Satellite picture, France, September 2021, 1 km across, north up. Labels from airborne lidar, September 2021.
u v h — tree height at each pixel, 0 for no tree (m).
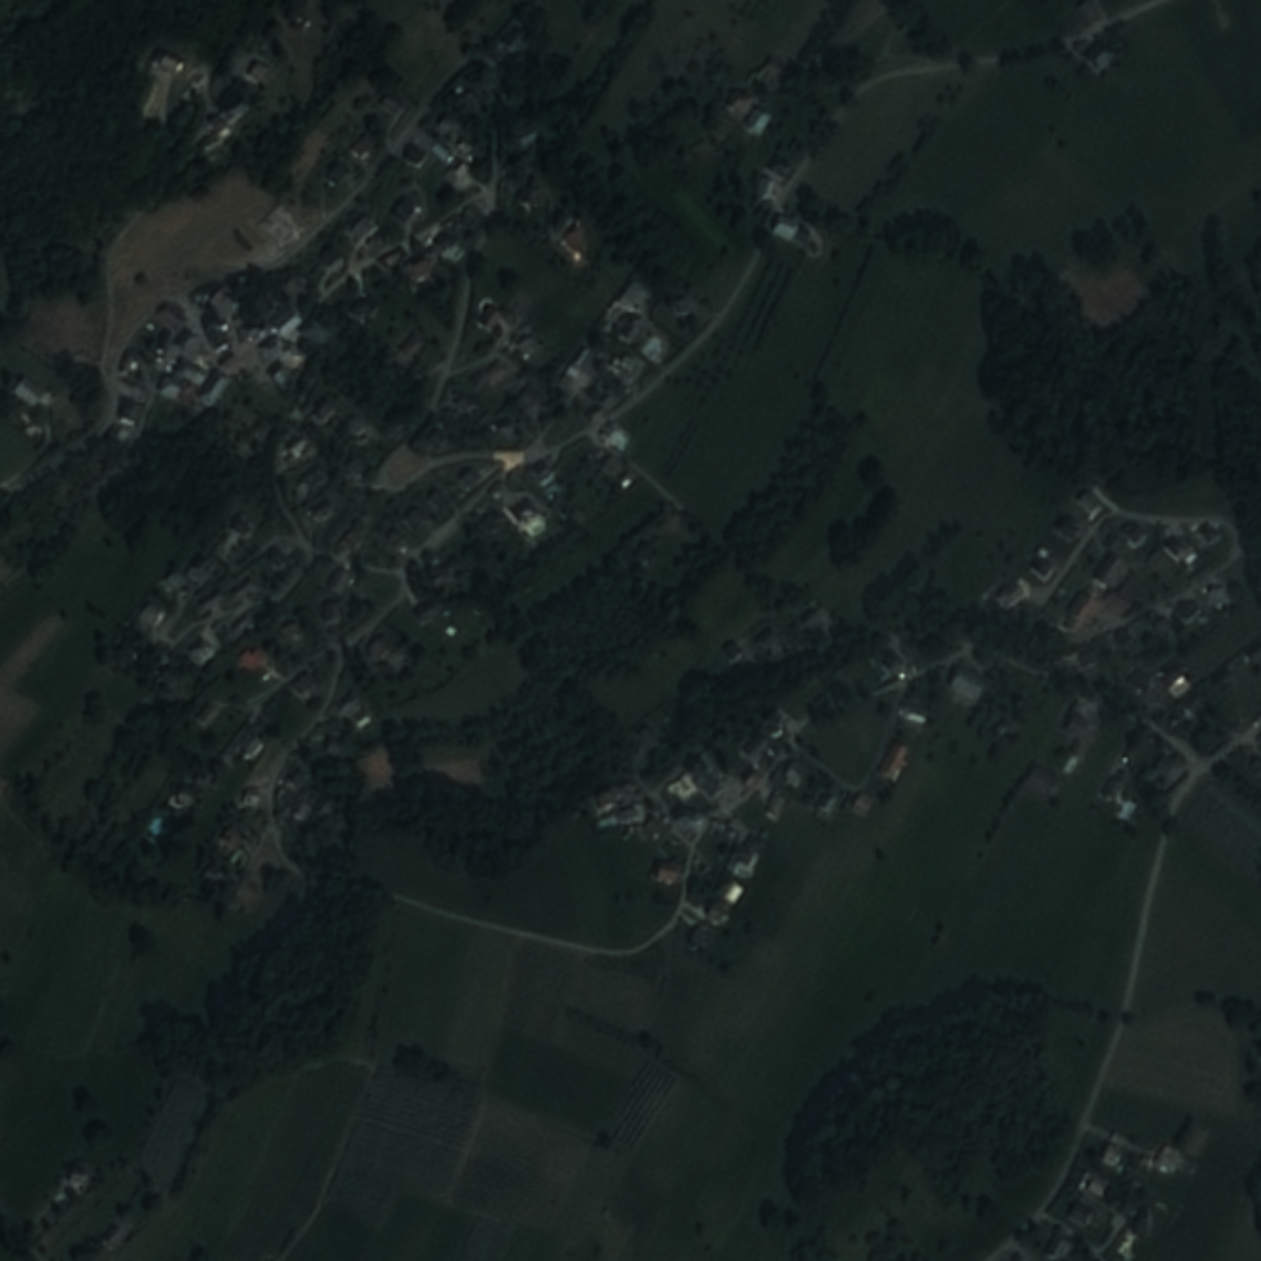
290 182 8
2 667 0
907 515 0
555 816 24
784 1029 0
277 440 9
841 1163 23
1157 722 9
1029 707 10
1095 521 0
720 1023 0
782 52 0
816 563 0
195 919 0
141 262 0
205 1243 0
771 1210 10
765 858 0
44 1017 0
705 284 0
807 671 12
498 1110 0
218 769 11
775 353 0
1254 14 0
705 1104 0
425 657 14
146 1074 0
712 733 18
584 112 18
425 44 0
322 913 19
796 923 0
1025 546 0
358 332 8
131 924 0
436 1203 0
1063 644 18
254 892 0
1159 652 8
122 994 0
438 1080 7
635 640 17
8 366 0
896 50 0
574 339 0
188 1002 0
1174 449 7
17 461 0
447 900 0
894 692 0
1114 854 0
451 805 21
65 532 10
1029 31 0
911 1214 0
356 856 10
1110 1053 0
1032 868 0
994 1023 23
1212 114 0
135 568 0
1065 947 0
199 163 13
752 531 16
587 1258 0
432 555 6
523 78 20
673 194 0
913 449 0
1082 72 7
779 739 0
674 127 17
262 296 9
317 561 8
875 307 0
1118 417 19
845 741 0
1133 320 7
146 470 29
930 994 0
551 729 18
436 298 11
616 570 15
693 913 0
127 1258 0
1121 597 0
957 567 0
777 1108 0
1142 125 0
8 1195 0
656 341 0
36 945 0
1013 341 30
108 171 19
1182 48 0
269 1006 21
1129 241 20
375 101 10
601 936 0
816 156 14
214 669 11
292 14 15
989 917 0
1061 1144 25
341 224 6
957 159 0
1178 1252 0
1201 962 0
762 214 9
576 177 12
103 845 9
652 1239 0
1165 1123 0
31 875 0
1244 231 0
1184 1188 0
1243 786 11
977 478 0
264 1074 18
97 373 8
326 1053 18
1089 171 0
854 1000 0
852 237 14
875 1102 24
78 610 0
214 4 24
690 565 12
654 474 0
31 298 20
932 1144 11
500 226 9
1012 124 0
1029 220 0
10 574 0
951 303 0
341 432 6
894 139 0
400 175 6
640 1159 0
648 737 0
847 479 0
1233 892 0
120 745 11
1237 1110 0
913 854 0
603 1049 0
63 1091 0
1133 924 0
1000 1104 18
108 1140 12
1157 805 18
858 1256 0
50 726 0
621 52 10
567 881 0
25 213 20
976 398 0
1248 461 8
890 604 20
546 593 0
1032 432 20
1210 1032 0
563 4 0
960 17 0
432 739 16
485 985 0
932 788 0
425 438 7
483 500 0
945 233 22
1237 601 12
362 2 13
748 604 0
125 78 19
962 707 0
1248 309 5
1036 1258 0
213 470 13
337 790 22
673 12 0
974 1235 0
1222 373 10
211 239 0
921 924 0
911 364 0
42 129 14
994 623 6
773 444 0
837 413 9
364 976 20
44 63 13
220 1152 0
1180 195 0
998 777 0
